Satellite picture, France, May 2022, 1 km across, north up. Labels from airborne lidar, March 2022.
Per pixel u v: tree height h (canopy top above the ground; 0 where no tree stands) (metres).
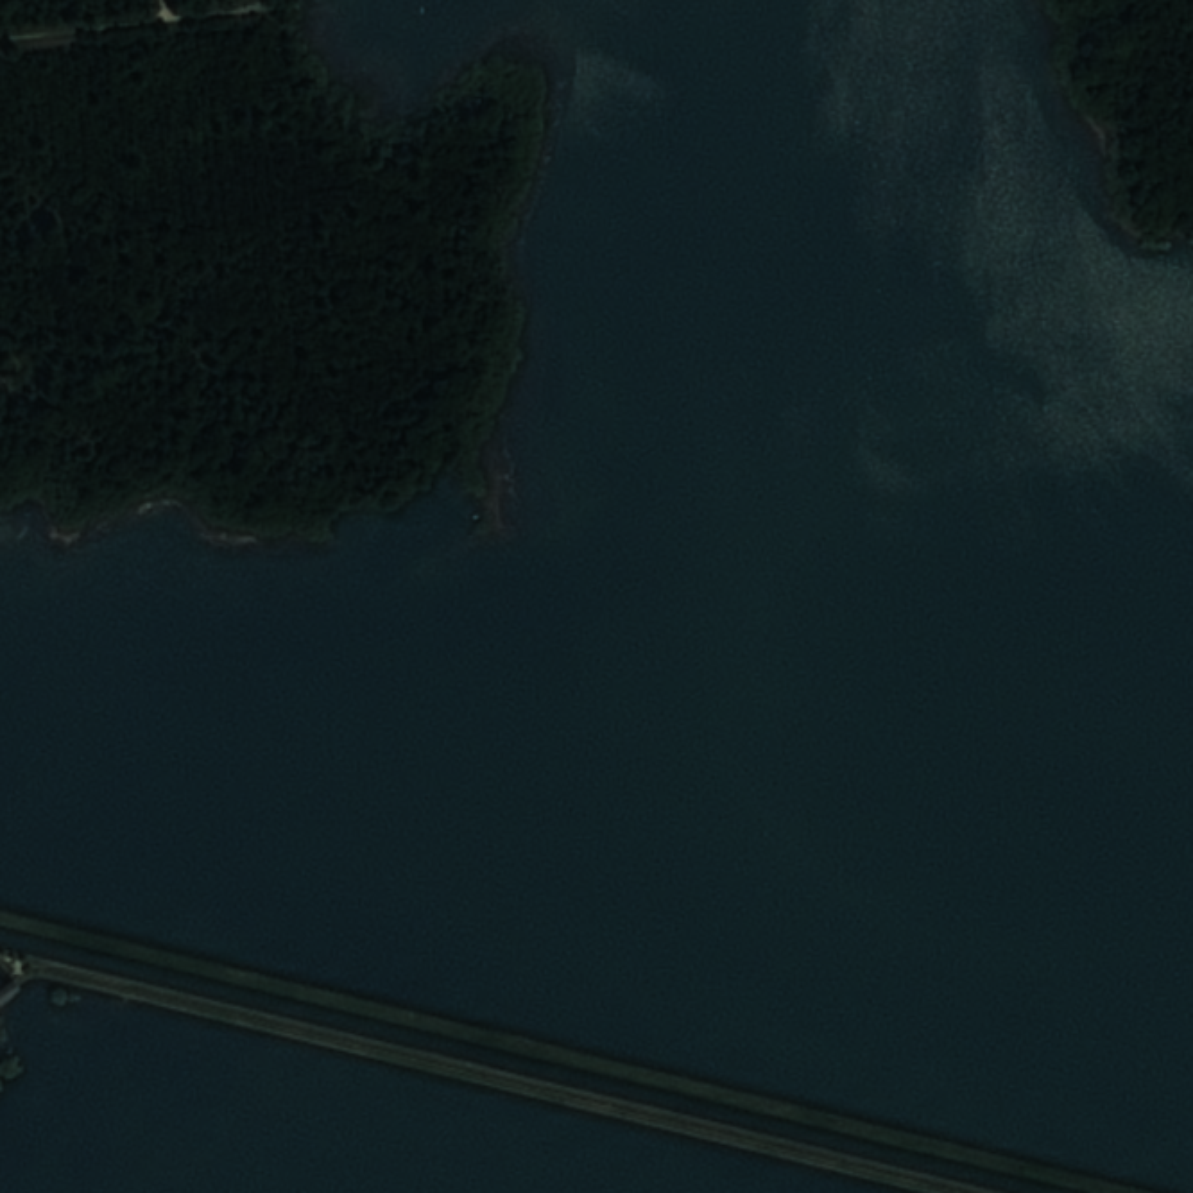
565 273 0
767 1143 0
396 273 26
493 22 0
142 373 26
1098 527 0
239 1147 0
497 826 0
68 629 0
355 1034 0
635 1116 0
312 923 0
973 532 0
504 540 0
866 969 0
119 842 0
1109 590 0
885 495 0
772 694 0
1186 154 24
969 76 0
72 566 0
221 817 0
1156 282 0
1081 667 0
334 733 0
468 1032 0
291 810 0
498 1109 0
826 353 0
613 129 0
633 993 0
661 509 0
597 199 0
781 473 0
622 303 0
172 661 0
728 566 0
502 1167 0
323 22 0
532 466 0
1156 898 0
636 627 0
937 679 0
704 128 0
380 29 0
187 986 0
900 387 0
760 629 0
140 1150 0
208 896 0
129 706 0
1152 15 24
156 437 10
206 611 0
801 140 0
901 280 0
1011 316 0
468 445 6
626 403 0
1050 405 0
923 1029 0
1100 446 0
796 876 0
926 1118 0
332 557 0
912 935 0
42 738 0
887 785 0
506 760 0
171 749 0
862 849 0
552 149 0
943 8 0
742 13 0
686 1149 0
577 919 0
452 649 0
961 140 0
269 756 0
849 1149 0
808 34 0
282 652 0
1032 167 0
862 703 0
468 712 0
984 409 0
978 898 0
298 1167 0
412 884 0
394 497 19
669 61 0
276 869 0
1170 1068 0
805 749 0
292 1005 0
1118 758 0
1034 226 0
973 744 0
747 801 0
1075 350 0
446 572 0
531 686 0
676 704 0
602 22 0
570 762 0
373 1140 0
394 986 0
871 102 0
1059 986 0
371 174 13
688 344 0
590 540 0
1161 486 0
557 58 0
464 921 0
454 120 14
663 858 0
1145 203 16
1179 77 24
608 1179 0
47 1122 0
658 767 0
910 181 0
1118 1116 0
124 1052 0
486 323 18
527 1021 0
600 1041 0
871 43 0
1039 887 0
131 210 12
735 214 0
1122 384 0
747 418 0
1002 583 0
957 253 0
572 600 0
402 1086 0
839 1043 0
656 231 0
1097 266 0
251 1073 0
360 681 0
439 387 31
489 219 11
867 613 0
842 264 0
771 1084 0
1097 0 23
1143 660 0
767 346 0
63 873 0
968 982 0
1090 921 0
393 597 0
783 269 0
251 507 20
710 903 0
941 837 0
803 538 0
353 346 12
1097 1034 0
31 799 0
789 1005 0
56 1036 0
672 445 0
